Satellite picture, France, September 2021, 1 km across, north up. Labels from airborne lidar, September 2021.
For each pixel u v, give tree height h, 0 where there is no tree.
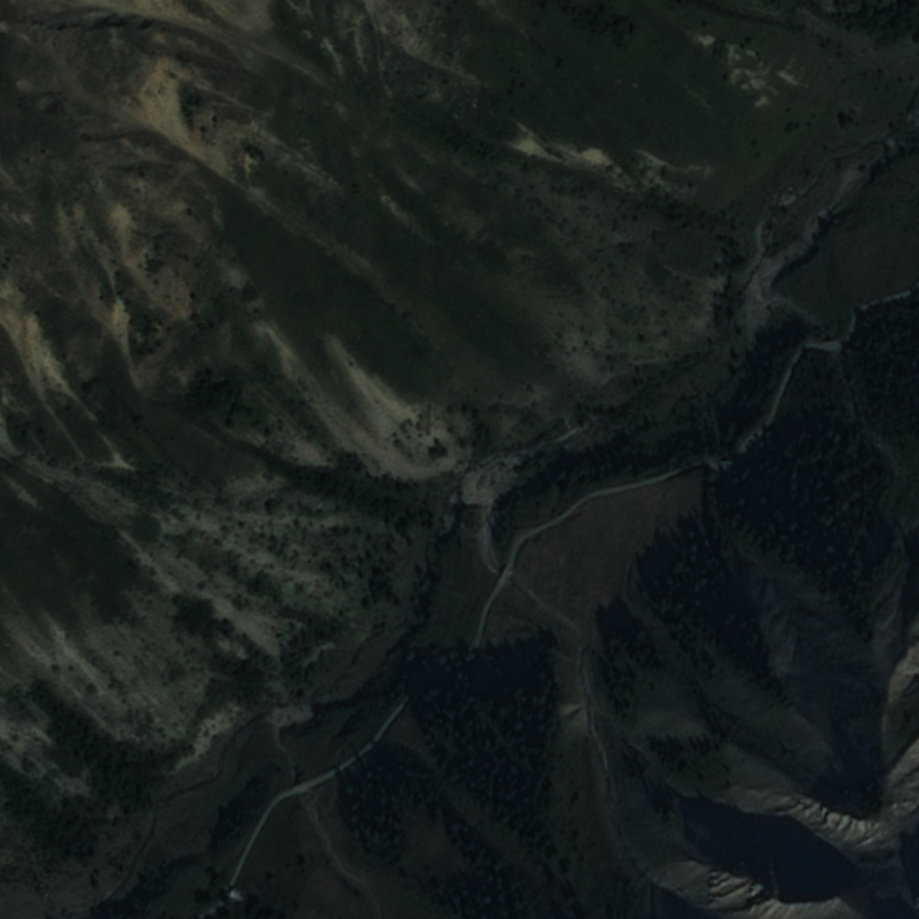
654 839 0
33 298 0
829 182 0
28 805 7
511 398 0
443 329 0
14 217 0
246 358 0
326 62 0
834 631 0
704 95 0
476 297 0
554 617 0
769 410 0
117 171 0
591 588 0
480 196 0
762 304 0
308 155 0
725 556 12
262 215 0
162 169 0
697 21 0
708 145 0
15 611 0
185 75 0
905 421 7
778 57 0
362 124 0
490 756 0
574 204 0
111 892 0
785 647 0
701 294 0
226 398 17
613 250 0
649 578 0
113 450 0
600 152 0
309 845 0
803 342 11
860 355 9
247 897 0
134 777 13
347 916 0
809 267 0
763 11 0
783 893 0
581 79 0
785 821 0
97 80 0
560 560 0
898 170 0
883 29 8
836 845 0
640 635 19
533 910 0
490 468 0
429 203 0
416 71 0
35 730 0
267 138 0
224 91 0
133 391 0
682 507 0
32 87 0
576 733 0
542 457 7
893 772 0
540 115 0
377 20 0
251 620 0
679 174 0
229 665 8
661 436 0
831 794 0
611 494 0
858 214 0
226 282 0
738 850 0
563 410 0
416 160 0
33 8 0
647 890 0
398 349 0
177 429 0
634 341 0
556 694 10
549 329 0
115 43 0
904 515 0
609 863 0
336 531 8
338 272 0
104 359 0
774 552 15
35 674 0
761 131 0
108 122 0
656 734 0
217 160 0
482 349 0
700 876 0
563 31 0
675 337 0
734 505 12
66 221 0
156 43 0
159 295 0
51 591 0
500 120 0
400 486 12
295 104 0
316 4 0
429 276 0
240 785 0
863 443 6
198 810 0
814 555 15
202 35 0
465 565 0
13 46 0
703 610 6
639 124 0
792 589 0
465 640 0
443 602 0
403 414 0
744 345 0
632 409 7
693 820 0
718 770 0
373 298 0
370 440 0
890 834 0
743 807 0
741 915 0
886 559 16
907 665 0
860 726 0
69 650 0
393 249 0
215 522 0
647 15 0
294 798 0
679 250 0
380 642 0
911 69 0
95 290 0
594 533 0
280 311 0
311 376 0
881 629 0
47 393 0
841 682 0
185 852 0
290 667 9
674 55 0
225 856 0
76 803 7
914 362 10
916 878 0
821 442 15
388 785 8
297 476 7
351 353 0
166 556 0
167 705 0
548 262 0
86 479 0
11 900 0
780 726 0
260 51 0
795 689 0
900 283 0
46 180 0
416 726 0
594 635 0
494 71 0
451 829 14
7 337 0
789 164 0
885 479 9
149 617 0
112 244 0
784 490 7
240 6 0
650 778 0
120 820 7
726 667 0
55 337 0
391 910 0
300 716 0
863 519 7
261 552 0
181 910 0
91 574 0
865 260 0
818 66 0
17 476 0
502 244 0
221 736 0
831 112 0
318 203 0
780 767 0
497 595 0
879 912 0
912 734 0
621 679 12
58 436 0
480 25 0
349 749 0
